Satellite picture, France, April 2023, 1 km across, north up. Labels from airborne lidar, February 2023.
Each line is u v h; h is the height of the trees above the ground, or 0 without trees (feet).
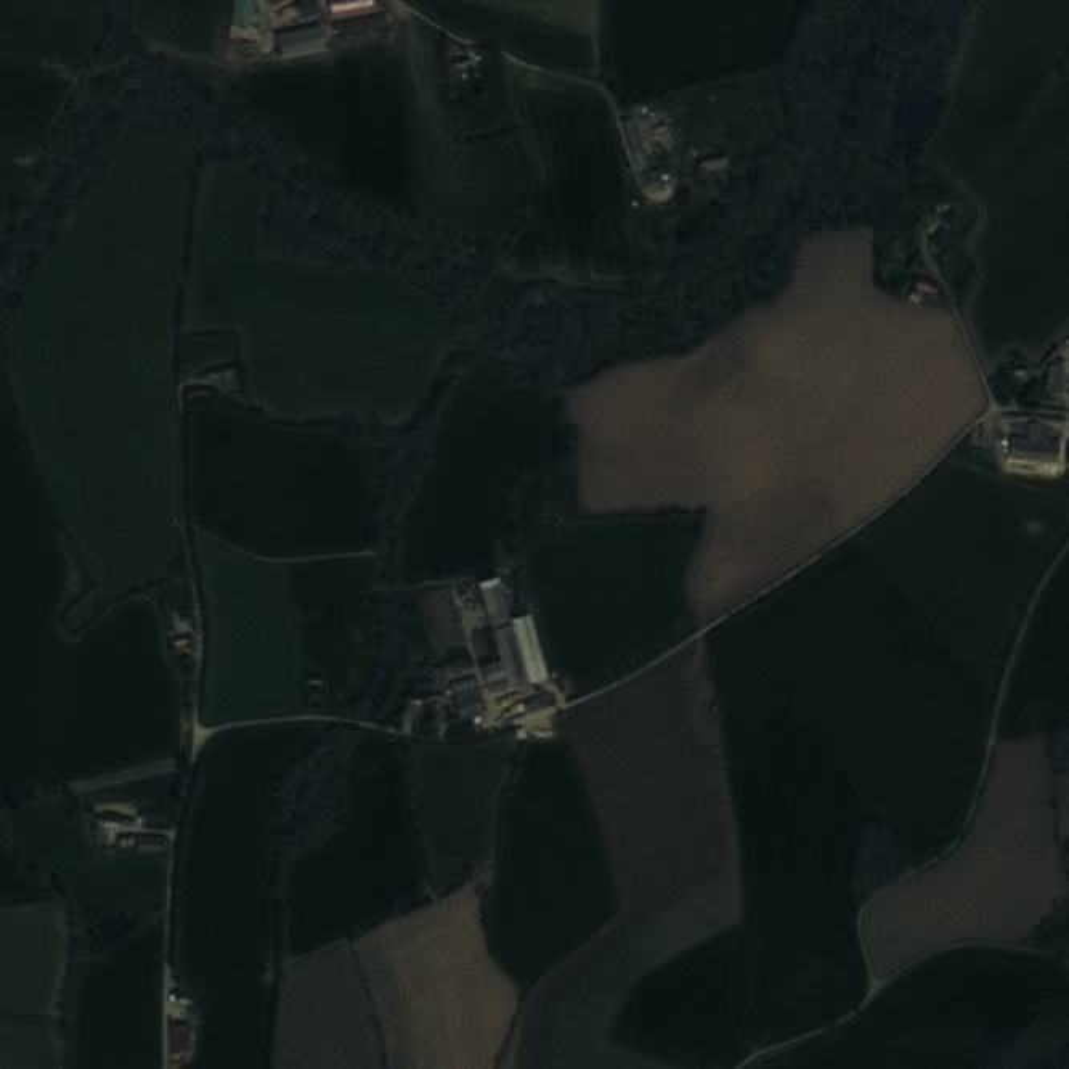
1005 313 0
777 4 0
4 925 0
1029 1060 0
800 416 0
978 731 0
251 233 0
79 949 48
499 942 0
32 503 0
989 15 0
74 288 0
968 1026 0
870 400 0
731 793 0
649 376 0
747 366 0
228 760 0
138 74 51
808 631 0
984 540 0
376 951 0
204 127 30
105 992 0
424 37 0
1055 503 0
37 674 0
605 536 0
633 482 0
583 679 0
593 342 63
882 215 26
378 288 0
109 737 0
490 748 0
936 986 0
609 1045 0
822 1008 0
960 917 0
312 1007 0
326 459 0
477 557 0
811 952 0
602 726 0
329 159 0
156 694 0
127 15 32
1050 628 0
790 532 0
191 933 0
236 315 0
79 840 0
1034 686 0
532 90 0
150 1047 0
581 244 0
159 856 36
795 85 83
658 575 0
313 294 0
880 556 0
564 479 0
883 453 0
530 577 0
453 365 57
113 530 0
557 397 34
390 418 0
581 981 0
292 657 0
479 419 0
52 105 0
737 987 0
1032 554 0
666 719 0
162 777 0
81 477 0
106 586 0
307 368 0
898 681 0
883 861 68
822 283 0
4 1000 0
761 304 57
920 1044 0
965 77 0
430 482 0
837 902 0
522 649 0
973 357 0
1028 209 0
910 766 0
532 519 0
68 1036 39
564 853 0
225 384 0
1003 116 0
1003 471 0
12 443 0
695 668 0
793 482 0
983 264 0
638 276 0
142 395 0
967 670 0
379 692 28
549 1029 0
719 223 53
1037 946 0
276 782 39
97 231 0
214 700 0
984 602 0
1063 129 0
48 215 52
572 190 0
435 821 0
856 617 0
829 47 68
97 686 0
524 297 33
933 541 0
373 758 0
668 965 0
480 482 0
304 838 48
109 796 0
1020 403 18
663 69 0
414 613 56
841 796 0
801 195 87
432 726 26
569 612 0
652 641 0
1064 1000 0
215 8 0
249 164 26
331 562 0
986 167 0
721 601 0
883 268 0
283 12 0
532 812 0
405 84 0
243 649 0
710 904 0
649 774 0
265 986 0
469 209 0
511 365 21
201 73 0
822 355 0
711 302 40
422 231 53
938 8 88
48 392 0
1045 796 0
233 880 0
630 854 0
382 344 0
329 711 0
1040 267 0
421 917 0
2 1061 0
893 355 0
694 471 0
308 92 0
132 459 0
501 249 23
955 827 0
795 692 0
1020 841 0
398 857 0
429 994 0
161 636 0
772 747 0
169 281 0
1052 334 0
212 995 0
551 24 0
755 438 0
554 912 0
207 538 0
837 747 0
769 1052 0
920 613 0
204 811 0
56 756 0
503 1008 0
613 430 0
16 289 21
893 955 0
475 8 0
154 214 0
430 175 0
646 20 0
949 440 0
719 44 0
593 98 0
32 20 0
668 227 0
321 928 0
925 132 52
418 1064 0
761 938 0
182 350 32
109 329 0
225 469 0
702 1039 0
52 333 0
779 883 0
